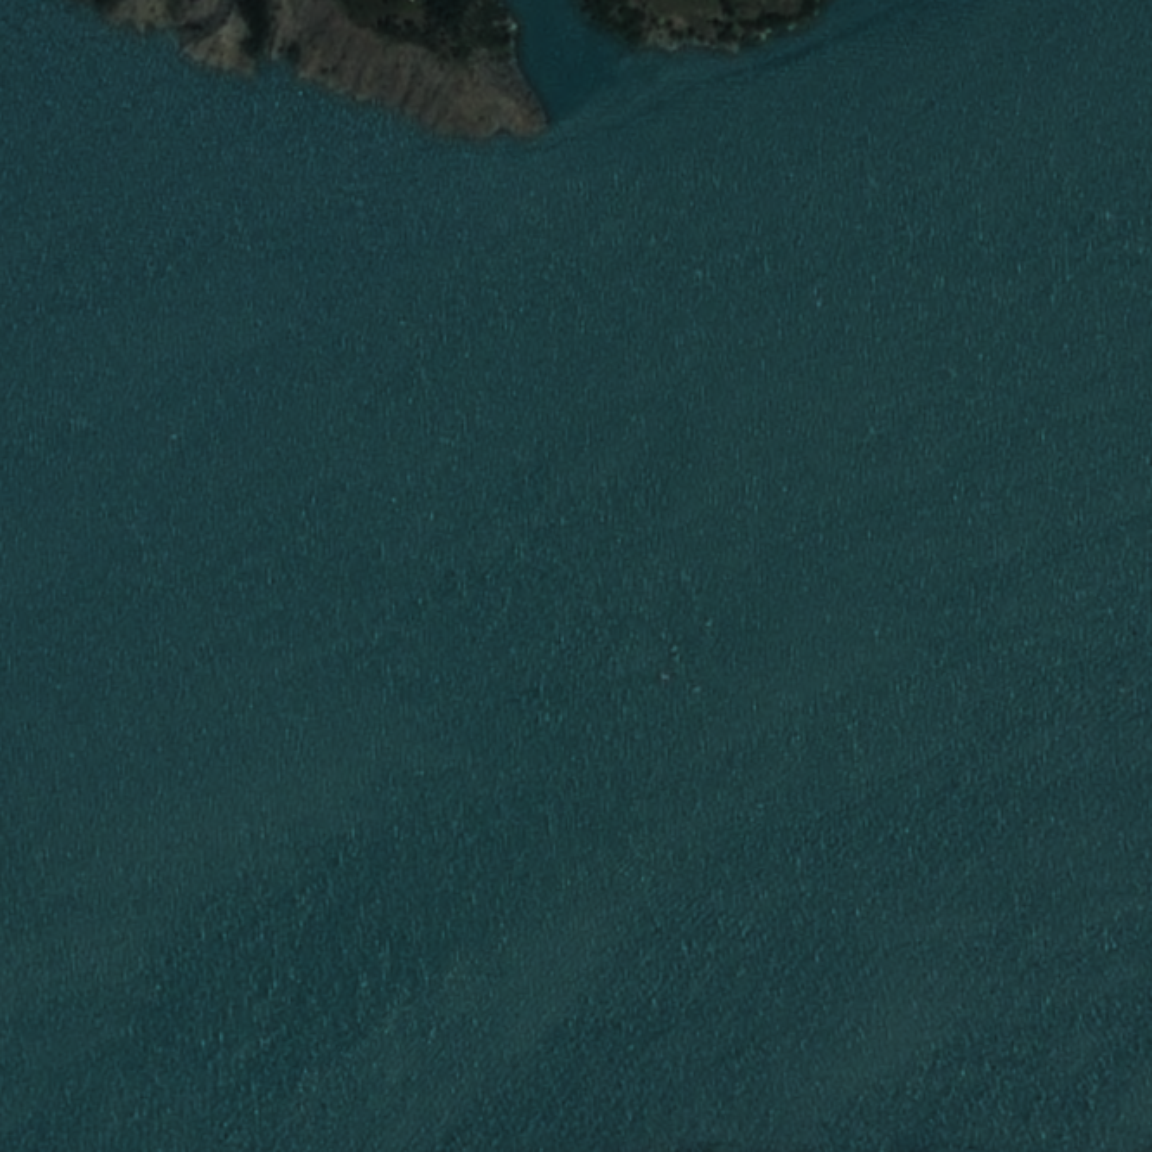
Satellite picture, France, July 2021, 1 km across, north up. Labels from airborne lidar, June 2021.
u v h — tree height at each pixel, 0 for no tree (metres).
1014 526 0
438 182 0
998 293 0
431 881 0
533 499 0
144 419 0
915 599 0
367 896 0
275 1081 0
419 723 0
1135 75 0
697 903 0
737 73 0
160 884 0
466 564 0
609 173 0
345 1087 0
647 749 0
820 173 0
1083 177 0
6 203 0
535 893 0
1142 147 0
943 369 0
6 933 0
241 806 0
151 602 0
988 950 0
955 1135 0
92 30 0
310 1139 0
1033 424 0
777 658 0
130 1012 0
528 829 0
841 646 0
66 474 0
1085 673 0
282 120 0
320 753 0
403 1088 0
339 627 0
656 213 0
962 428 0
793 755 0
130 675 0
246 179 0
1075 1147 0
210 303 0
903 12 0
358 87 0
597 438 0
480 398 0
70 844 0
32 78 0
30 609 0
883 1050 0
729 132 0
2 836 0
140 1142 0
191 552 0
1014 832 0
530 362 0
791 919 0
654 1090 0
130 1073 0
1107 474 0
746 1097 0
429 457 0
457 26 10
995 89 0
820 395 0
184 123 0
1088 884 0
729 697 0
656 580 0
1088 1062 0
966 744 0
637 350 0
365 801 0
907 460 0
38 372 0
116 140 0
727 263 0
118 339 0
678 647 0
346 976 0
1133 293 0
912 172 0
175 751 0
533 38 0
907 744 0
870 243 0
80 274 0
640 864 0
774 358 0
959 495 0
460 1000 0
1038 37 0
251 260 0
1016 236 0
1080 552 0
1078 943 0
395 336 0
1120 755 0
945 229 0
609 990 0
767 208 0
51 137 0
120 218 0
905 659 0
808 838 0
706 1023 0
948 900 0
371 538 0
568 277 0
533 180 0
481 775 0
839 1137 0
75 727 0
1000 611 0
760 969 0
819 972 0
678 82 0
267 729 0
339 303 0
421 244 0
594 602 0
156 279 0
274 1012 0
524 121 0
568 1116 0
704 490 0
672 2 0
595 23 6
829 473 0
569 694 0
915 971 0
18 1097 0
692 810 0
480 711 0
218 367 0
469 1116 0
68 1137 0
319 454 0
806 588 0
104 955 0
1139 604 0
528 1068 0
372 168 0
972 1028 0
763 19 6
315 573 0
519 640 0
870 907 0
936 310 0
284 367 0
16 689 0
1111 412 0
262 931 0
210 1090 0
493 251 0
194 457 0
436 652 0
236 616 0
